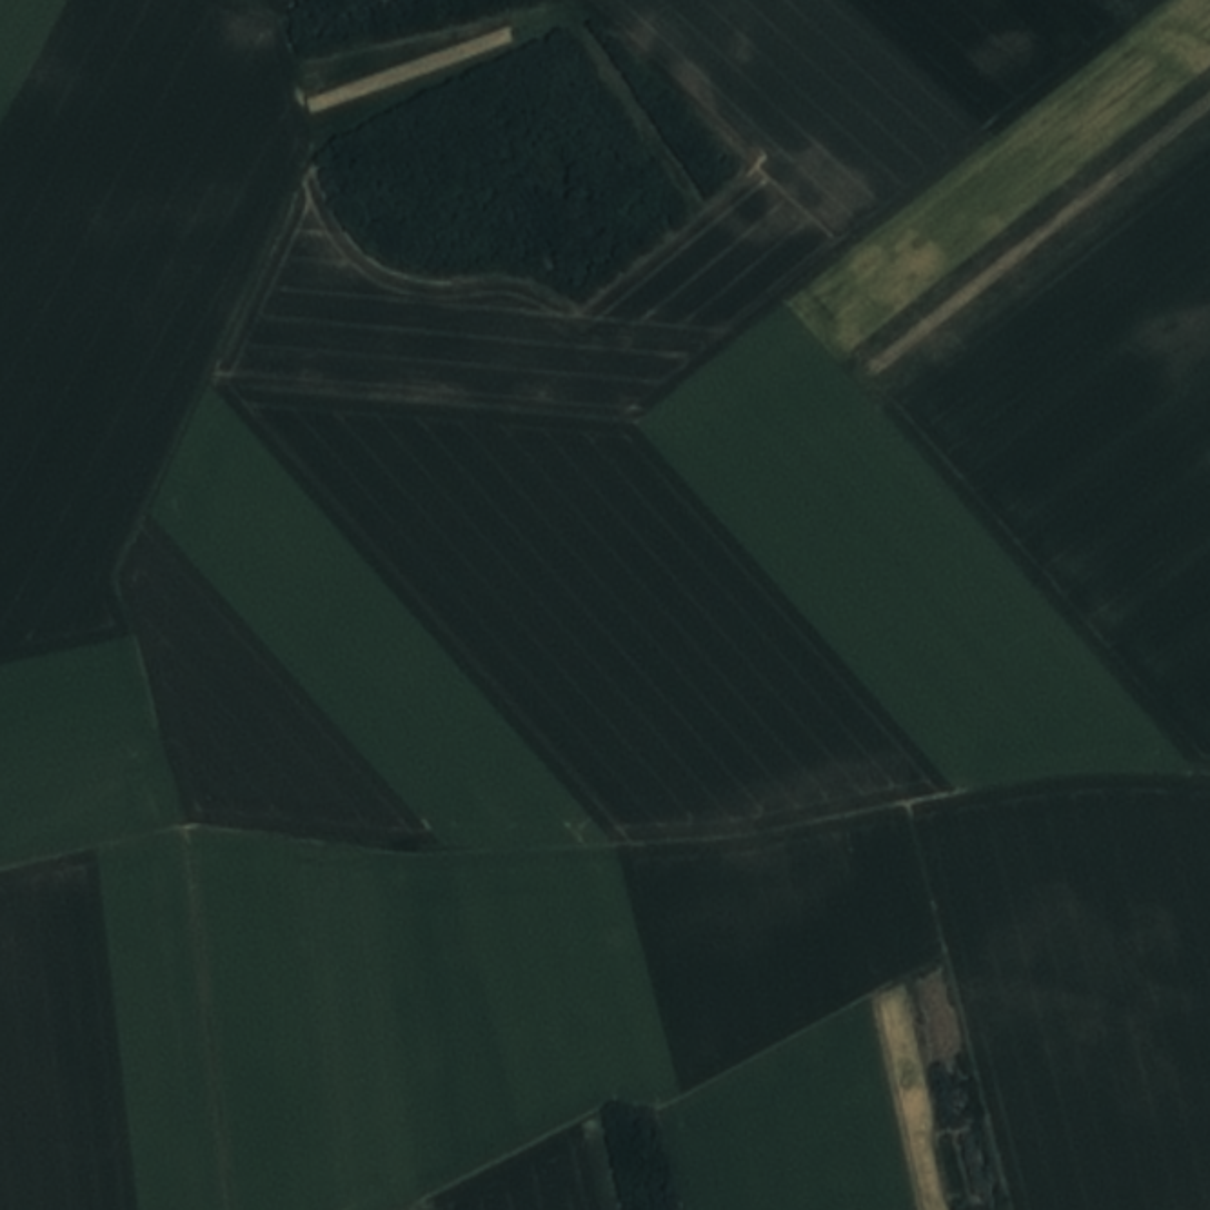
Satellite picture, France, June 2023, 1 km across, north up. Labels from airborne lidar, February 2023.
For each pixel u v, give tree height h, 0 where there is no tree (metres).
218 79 0
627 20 0
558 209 18
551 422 0
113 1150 0
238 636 0
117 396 0
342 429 0
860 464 0
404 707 0
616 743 0
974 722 0
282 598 0
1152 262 0
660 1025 0
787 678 0
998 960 0
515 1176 0
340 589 0
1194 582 0
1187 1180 0
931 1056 0
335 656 0
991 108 0
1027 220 0
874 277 0
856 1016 0
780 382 0
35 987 0
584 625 0
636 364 0
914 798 0
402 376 0
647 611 0
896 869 0
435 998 0
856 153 0
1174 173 0
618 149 17
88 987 0
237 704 0
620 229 17
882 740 0
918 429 0
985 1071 0
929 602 0
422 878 0
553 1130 0
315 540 0
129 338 0
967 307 0
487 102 19
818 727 0
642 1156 13
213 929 0
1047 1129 0
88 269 0
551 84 19
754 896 0
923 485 0
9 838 0
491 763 0
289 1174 0
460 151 16
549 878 0
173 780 0
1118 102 0
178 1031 0
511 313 0
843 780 0
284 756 0
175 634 0
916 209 0
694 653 0
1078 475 0
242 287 0
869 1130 0
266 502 0
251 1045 0
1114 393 0
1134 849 0
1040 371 0
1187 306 0
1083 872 0
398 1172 0
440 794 0
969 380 0
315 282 0
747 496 0
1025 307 0
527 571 0
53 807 0
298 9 11
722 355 0
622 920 0
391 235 13
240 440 0
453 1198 0
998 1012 0
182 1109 0
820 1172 0
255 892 0
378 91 0
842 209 0
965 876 0
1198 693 0
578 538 0
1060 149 0
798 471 0
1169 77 0
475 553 0
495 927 0
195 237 0
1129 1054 0
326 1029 0
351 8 17
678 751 0
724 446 0
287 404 0
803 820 0
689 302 0
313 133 0
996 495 0
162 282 0
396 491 0
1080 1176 0
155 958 0
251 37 0
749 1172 0
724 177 12
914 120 0
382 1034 0
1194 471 0
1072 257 0
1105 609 0
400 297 0
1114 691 0
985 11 0
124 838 0
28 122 0
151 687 0
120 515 0
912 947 0
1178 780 0
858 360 0
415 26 16
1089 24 0
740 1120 0
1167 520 0
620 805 0
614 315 0
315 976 0
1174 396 0
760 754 0
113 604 0
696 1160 0
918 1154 0
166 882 0
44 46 0
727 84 0
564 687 0
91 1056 0
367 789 0
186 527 0
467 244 11
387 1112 0
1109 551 0
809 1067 0
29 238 0
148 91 0
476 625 0
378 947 0
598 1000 0
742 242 0
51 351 0
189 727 0
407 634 0
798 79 0
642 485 0
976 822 0
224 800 0
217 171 0
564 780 0
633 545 0
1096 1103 0
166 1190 0
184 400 0
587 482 0
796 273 0
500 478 0
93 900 0
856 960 0
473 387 0
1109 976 0
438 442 0
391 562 0
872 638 0
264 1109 0
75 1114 0
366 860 0
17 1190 0
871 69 0
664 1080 0
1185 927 0
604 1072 0
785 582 0
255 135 0
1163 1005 0
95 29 0
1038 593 0
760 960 0
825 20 0
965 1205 12
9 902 0
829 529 0
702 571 0
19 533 0
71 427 0
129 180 0
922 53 0
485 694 0
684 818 0
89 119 0
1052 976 0
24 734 0
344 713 0
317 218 0
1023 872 0
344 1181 0
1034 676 0
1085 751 0
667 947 0
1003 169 0
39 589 0
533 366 0
